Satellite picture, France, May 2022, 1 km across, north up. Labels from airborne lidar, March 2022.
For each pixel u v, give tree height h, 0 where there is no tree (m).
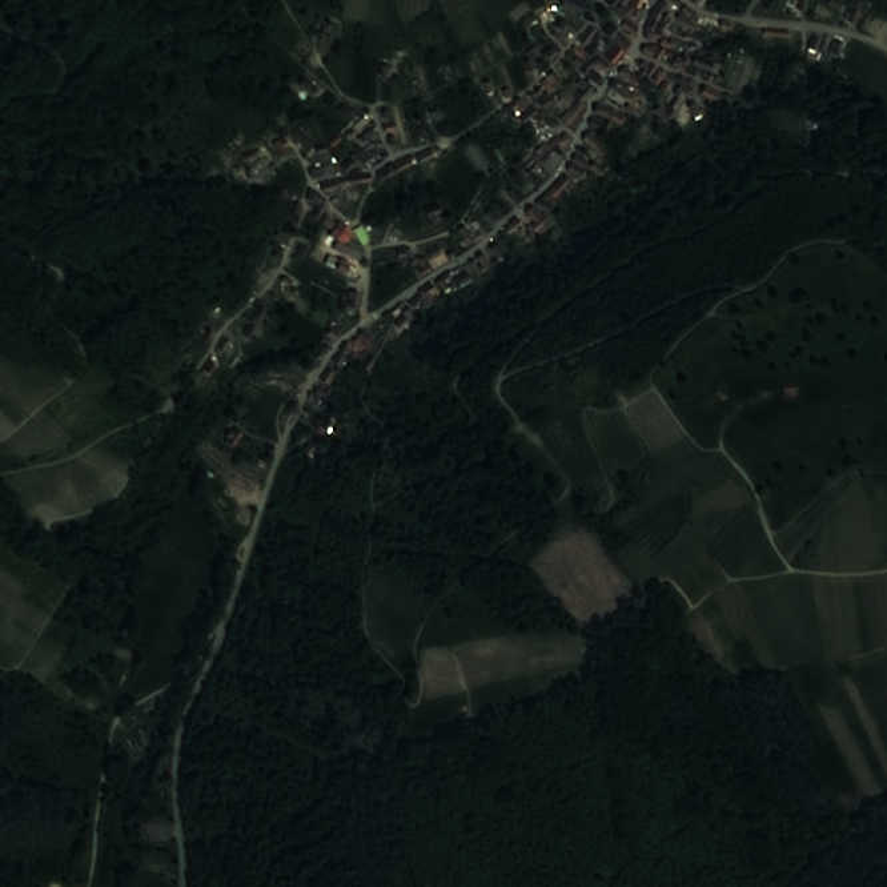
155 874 0
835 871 20
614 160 0
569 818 22
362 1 0
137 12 21
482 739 17
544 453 0
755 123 6
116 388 14
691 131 0
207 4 10
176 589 0
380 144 0
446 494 12
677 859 19
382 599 0
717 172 8
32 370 0
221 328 0
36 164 18
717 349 0
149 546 16
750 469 0
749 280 7
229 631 9
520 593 6
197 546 0
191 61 16
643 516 0
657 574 0
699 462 0
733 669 0
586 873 22
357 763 18
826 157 20
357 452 13
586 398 0
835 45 0
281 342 0
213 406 0
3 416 0
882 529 0
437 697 0
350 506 0
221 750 7
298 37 0
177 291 16
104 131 21
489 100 0
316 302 9
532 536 14
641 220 18
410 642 0
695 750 25
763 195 7
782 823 14
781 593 0
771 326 0
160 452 14
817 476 0
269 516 0
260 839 14
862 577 0
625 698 23
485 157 0
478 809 10
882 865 17
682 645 19
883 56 0
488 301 9
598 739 17
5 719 28
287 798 12
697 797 30
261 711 7
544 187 0
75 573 19
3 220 28
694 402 0
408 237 0
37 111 20
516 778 13
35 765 7
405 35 0
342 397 0
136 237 19
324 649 13
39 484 0
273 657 8
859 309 0
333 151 7
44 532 21
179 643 0
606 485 0
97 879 0
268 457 8
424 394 7
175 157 15
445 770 12
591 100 0
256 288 0
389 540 13
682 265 7
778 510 0
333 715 16
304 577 9
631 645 15
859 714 0
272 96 13
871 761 0
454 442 18
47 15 26
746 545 0
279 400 0
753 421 0
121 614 9
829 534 0
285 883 7
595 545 19
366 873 23
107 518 18
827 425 0
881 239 17
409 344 0
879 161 8
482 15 0
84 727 8
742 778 25
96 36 20
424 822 12
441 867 10
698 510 0
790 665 0
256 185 0
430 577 13
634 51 0
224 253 6
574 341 0
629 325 15
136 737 0
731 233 8
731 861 17
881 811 23
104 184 12
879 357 0
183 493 0
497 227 0
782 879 19
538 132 0
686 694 23
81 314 7
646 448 0
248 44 14
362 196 0
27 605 0
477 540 10
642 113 0
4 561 0
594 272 18
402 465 12
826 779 0
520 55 0
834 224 16
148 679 0
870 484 0
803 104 20
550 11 0
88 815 12
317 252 0
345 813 17
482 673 0
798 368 0
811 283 0
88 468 0
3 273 25
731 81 0
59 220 23
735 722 25
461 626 0
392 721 11
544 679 0
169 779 12
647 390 0
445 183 0
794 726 24
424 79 0
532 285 22
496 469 15
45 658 0
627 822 24
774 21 0
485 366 9
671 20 0
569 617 9
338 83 0
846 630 0
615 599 0
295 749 6
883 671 0
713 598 0
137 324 30
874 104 15
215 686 6
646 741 22
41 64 20
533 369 0
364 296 0
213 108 0
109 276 6
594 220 0
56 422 0
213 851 12
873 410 0
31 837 0
